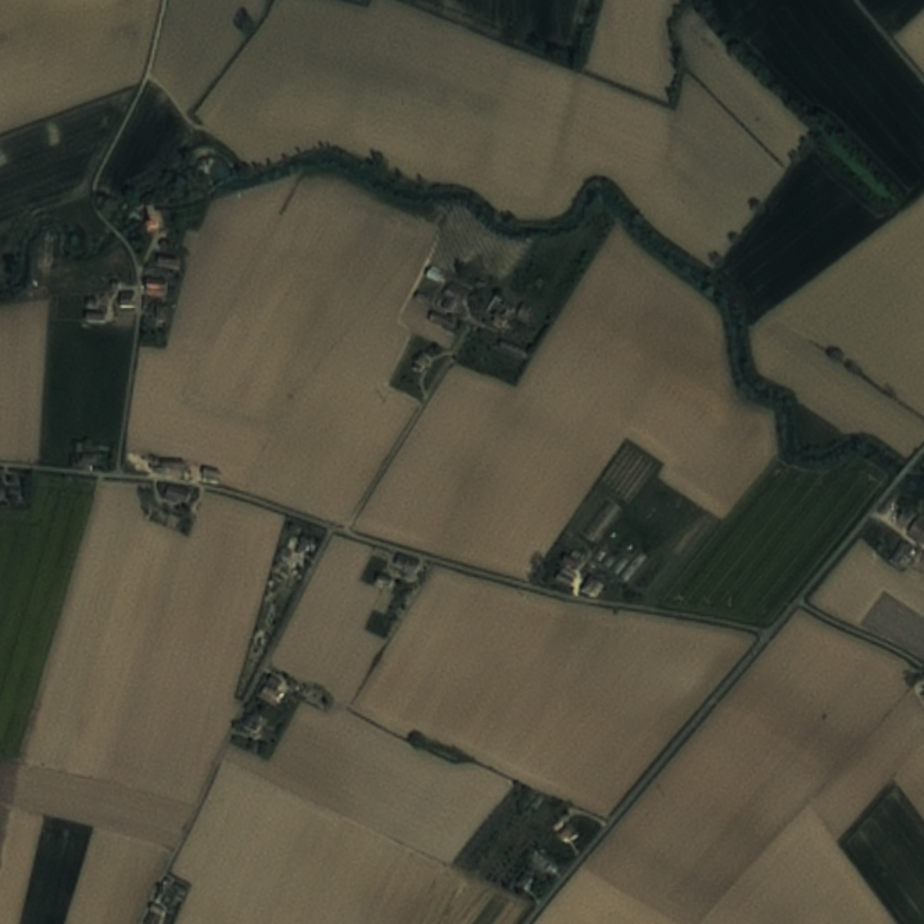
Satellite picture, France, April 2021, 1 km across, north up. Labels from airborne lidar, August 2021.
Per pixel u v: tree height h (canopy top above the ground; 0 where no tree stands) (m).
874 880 0
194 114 0
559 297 0
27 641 0
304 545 0
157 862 0
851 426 0
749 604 0
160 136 0
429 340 0
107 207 21
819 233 0
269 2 23
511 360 0
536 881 7
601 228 7
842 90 0
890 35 0
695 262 6
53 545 0
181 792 0
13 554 0
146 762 0
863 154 10
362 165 9
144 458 0
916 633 0
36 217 7
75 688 0
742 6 0
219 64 0
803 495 0
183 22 0
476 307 13
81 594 0
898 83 0
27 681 0
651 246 7
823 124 19
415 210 0
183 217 11
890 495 0
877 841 0
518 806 7
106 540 0
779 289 0
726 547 0
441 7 0
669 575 0
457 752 12
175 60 0
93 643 0
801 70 0
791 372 0
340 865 0
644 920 0
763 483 0
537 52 22
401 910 0
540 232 8
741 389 12
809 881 0
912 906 0
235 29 0
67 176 0
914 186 0
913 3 0
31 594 0
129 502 0
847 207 0
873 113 0
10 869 0
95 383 0
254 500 0
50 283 0
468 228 18
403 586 6
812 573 0
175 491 0
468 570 0
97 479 0
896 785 0
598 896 0
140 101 0
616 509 0
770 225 0
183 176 10
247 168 14
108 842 0
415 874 0
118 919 0
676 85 6
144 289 0
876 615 0
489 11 0
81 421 0
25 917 0
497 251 14
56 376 0
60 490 0
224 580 0
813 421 0
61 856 0
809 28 0
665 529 0
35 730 0
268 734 9
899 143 0
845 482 0
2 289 8
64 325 0
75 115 0
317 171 0
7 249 0
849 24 0
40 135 0
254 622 0
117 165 0
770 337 0
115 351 0
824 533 0
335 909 0
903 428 0
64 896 0
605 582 9
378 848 0
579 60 21
